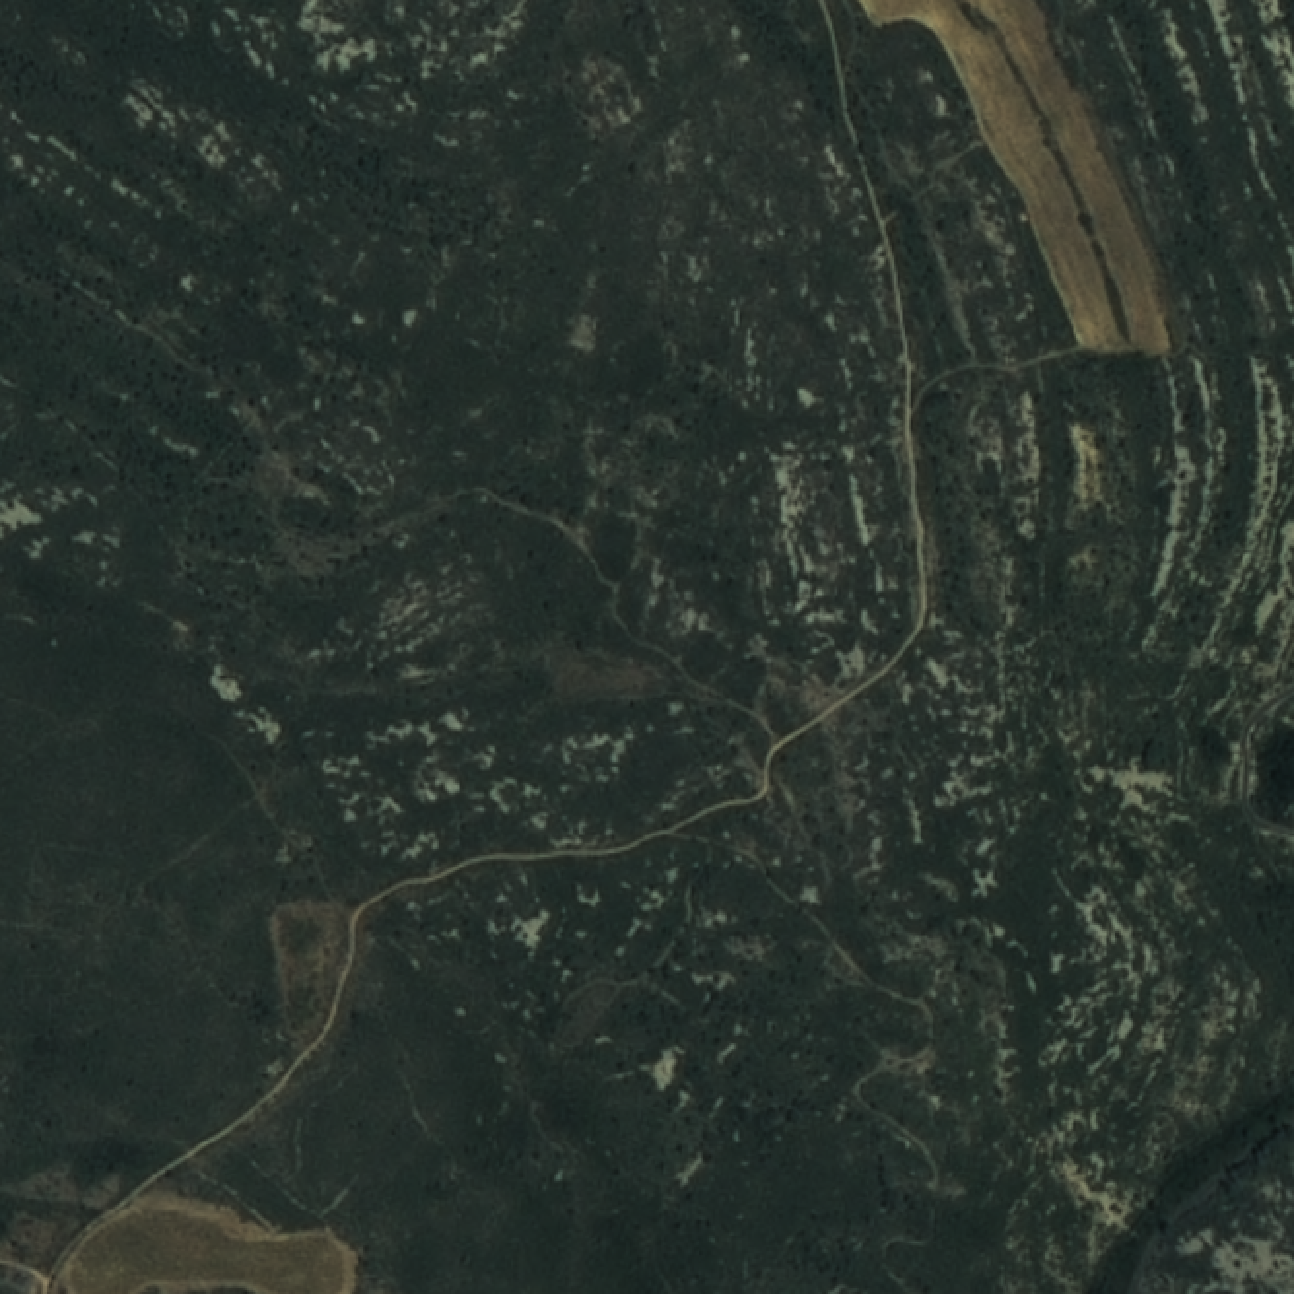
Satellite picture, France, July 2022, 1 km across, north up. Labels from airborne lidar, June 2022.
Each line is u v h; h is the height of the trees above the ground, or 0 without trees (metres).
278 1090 0
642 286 0
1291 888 24
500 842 0
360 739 0
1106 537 0
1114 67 0
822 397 0
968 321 0
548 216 0
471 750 0
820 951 0
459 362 0
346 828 0
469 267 0
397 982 0
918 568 0
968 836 0
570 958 10
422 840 0
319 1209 0
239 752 0
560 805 0
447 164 0
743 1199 0
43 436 0
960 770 0
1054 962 0
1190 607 8
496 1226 0
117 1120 0
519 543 0
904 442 0
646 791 0
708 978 0
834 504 0
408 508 0
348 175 6
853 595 0
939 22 0
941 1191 0
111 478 0
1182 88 0
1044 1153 0
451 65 0
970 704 0
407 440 0
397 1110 0
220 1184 0
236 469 9
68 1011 0
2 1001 0
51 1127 8
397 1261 0
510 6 0
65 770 0
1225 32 0
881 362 0
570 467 0
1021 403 0
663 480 0
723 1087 0
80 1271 0
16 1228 0
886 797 0
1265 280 0
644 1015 8
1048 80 0
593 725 0
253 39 0
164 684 0
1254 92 0
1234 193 0
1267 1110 9
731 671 0
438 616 0
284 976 0
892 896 0
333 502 0
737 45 0
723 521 0
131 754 0
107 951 0
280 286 0
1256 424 0
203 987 0
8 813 0
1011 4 0
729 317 0
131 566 0
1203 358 0
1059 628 8
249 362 0
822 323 0
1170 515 0
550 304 0
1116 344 0
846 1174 0
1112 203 0
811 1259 7
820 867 0
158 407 8
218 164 0
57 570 0
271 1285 0
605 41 0
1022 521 0
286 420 0
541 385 0
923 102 0
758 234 0
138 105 0
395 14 0
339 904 0
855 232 0
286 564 7
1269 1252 0
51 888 0
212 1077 0
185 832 0
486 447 0
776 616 0
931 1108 0
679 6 0
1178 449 0
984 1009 0
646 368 0
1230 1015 0
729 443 0
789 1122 10
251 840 0
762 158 0
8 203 0
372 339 0
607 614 0
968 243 0
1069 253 0
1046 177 0
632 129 0
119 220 0
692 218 0
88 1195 0
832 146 0
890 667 0
